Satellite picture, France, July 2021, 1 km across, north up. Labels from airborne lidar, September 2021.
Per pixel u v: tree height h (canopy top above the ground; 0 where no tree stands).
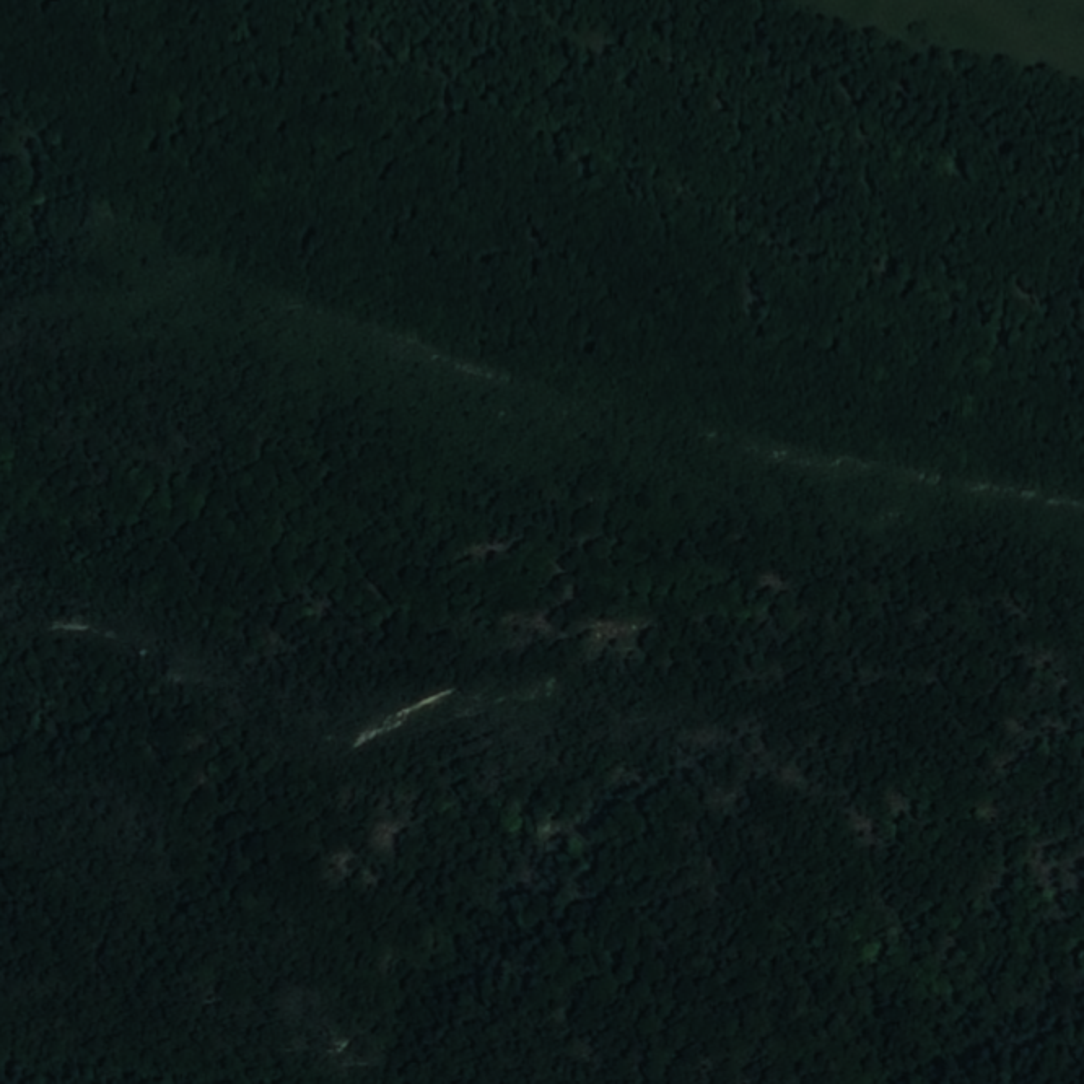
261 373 15
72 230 8
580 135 29
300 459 23
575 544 9
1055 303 34
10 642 17
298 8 32
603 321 32
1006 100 25
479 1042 21
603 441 14
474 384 6
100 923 19
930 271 30
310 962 10
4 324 7
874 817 27
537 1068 24
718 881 10
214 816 10
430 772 22
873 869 26
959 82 24
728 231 31
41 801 10
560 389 12
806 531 10
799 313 32
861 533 11
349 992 20
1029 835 22
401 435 14
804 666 16
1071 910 25
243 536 21
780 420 21
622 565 27
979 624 9
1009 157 25
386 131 29
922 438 25
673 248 30
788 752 8
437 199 28
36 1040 25
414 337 9
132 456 16
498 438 9
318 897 28
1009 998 9
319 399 8
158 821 8
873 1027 33
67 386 18
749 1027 27
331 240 22
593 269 29
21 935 30
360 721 9
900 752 24
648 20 29
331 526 9
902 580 25
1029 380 28
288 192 34
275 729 12
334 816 29
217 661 7
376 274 25
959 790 27
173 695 19
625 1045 23
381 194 32
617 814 32
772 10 25
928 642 22
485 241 30
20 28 27
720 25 30
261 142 30
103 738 33
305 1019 7
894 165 28
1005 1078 33
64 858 10
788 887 25
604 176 29
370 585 21
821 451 8
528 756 8
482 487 9
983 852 27
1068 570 15
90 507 17
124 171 22
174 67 34
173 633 11
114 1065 12
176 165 32
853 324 31
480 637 8
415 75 28
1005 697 21
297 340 6
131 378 10
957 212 30
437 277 28
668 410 13
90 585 24
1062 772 20
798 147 34
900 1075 16
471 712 7
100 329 8
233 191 30
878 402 29
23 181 19
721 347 27
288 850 26
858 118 29
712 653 25
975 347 31
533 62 29
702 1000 27
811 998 24
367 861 21
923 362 33
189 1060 24
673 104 26
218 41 35
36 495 21
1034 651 9
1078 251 29
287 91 31
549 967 35
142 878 11
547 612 9
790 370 28
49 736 25
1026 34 0
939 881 18
